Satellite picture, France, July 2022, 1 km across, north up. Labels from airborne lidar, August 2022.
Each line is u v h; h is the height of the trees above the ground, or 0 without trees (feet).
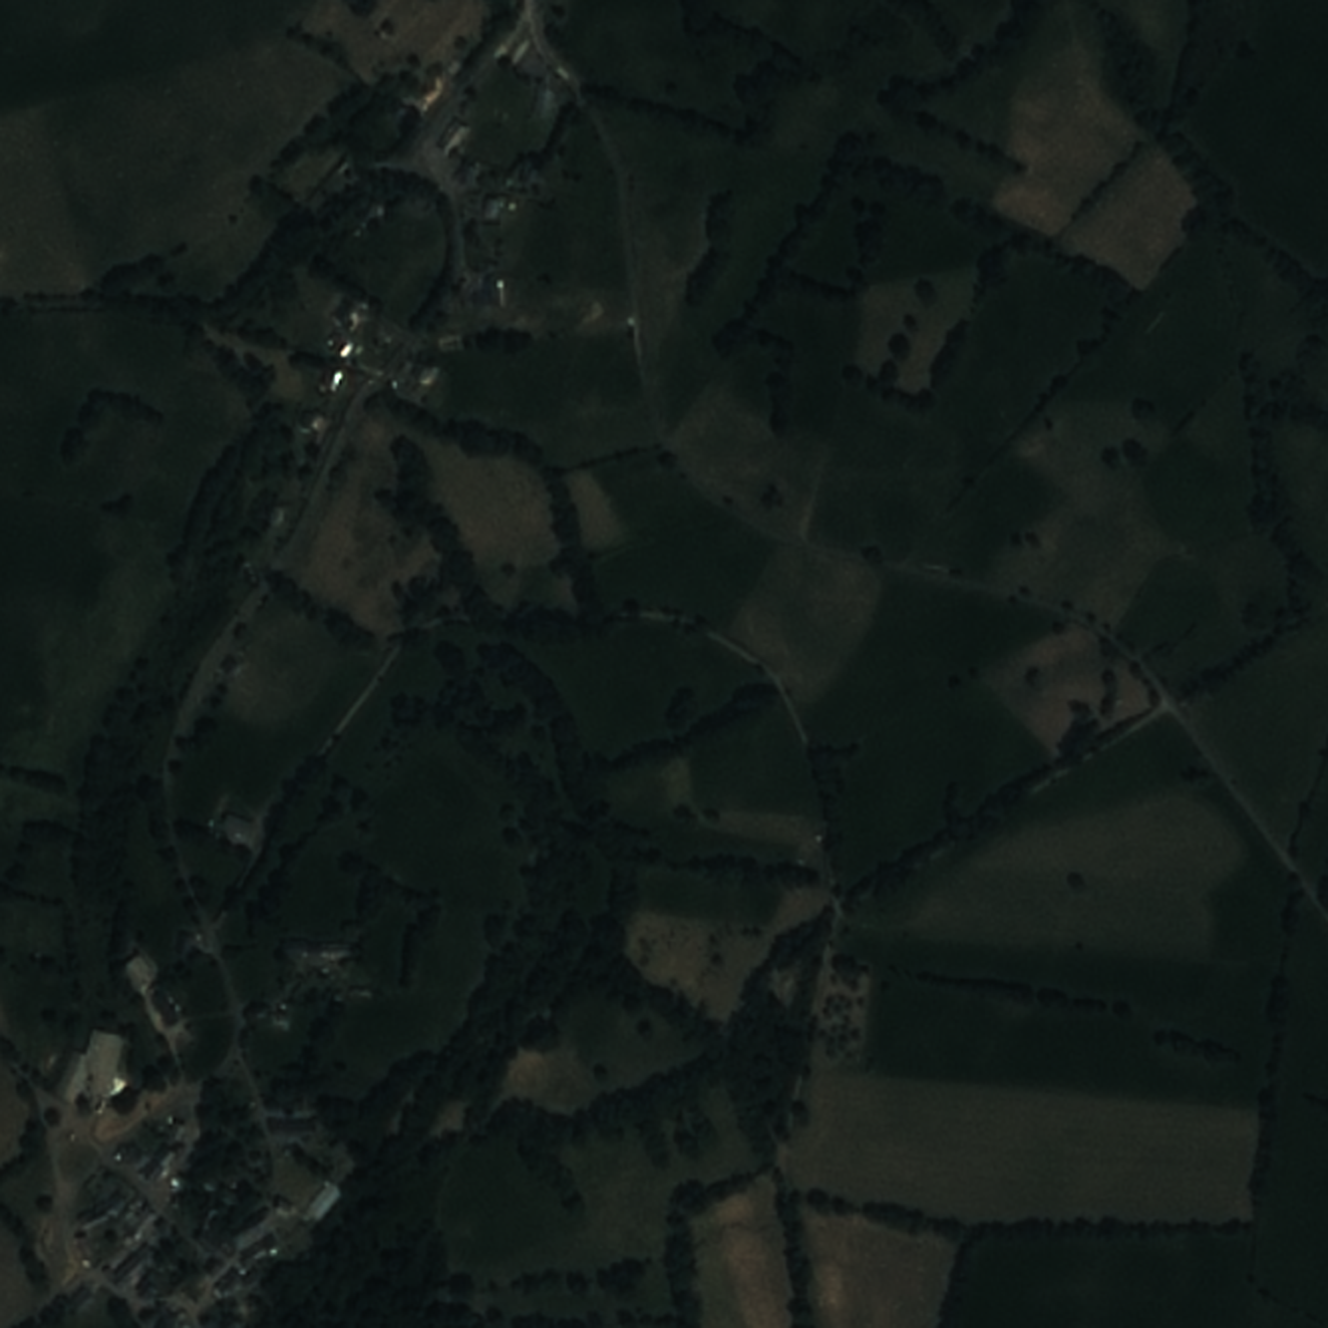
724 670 0
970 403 0
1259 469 42
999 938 0
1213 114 0
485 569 0
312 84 0
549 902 43
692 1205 70
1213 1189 0
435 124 0
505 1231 0
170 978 29
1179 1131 0
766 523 0
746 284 0
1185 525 0
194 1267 29
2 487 0
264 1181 25
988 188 0
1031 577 0
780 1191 21
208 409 0
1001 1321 0
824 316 0
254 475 53
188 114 0
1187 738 0
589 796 65
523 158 37
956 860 0
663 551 0
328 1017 50
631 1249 0
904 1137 0
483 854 0
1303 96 0
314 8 0
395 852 0
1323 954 0
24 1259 45
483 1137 32
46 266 0
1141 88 36
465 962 0
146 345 0
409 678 0
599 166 0
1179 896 0
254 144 0
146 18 0
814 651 0
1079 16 0
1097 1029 0
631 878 54
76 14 0
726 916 0
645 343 0
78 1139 0
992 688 0
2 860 0
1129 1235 25
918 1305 0
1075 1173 0
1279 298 0
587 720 0
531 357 0
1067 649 0
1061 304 0
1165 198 0
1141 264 0
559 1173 73
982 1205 0
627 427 0
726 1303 0
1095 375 0
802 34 0
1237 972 0
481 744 53
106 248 0
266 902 51
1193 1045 38
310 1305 93
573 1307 0
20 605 0
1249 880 0
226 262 0
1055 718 0
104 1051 0
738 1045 67
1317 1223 0
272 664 0
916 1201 0
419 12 0
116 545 0
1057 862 0
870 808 0
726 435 0
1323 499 0
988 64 46
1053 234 0
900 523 0
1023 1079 0
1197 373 0
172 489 0
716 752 0
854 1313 0
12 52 0
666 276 0
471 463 0
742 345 56
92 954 0
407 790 0
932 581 0
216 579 31
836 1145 0
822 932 50
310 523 0
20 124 0
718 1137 40
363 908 50
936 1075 0
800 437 0
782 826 0
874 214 44
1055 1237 37
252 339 31
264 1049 0
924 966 0
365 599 0
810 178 0
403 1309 68
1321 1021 0
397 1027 0
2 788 0
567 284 0
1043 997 40
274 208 0
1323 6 0
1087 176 0
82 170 0
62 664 0
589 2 0
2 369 0
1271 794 0
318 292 0
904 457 0
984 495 0
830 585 0
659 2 0
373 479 0
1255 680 0
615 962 60
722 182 0
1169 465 0
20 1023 0
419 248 0
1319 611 0
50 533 0
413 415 45
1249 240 33
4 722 0
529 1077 0
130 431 0
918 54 0
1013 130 0
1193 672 0
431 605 24
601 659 0
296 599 52
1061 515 0
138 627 0
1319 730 0
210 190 0
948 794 22
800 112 0
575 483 0
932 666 0
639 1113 52
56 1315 46
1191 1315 0
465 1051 40
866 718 0
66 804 0
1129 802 0
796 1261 50
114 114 0
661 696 0
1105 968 0
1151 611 0
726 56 0
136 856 0
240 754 0
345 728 0
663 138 0
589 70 0
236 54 0
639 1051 0
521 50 0
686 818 64
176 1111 0
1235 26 0
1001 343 0
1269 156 0
